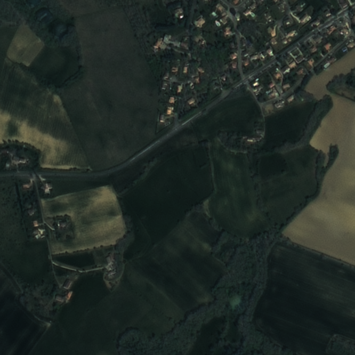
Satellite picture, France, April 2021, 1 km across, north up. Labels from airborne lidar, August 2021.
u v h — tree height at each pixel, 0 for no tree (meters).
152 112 0
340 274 0
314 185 0
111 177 0
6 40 0
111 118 0
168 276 0
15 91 0
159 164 0
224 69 17
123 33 0
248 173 0
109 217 0
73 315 0
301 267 0
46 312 16
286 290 0
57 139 0
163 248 0
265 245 12
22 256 0
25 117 0
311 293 0
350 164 0
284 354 22
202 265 0
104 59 0
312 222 0
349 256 0
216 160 0
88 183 0
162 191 0
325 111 16
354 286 0
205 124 0
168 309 0
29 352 0
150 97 0
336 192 0
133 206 0
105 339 0
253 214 0
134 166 0
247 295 19
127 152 0
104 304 0
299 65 10
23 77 0
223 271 0
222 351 0
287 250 0
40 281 0
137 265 0
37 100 0
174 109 0
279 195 0
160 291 0
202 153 0
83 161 0
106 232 0
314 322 0
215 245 17
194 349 0
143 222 0
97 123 0
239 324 14
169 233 0
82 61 15
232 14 0
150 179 0
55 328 0
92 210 0
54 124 0
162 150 0
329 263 0
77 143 0
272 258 0
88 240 0
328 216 0
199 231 0
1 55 0
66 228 11
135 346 10
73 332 0
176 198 0
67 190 0
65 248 0
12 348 0
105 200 0
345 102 0
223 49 19
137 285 0
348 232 0
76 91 0
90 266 0
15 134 0
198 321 23
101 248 7
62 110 0
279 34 0
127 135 0
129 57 0
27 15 21
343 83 20
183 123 0
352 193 0
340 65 0
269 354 15
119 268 13
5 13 20
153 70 5
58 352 0
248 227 0
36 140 0
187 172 0
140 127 0
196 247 0
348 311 0
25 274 0
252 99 0
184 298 0
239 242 14
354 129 0
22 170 9
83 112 0
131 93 0
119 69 0
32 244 0
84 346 0
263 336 16
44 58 0
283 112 0
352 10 14
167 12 7
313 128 15
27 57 0
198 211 15
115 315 0
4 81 0
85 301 0
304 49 18
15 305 0
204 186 0
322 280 0
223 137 18
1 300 0
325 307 0
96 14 0
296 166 0
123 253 0
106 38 0
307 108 0
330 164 8
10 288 0
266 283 12
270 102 0
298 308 0
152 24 9
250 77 0
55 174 0
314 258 0
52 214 0
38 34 13
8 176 0
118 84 0
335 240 0
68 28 15
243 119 0
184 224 0
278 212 0
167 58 14
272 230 10
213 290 13
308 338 0
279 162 0
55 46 13
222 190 0
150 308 0
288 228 0
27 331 0
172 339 17
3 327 0
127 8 12
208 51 23
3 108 0
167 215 0
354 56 0
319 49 10
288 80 7
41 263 0
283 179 0
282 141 0
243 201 0
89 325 0
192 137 0
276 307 0
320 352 0
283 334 0
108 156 0
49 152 0
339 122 0
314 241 0
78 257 0
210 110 0
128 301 0
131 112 0
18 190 21
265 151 11
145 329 0
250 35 14
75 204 0
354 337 0
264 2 6
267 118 0
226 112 0
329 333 0
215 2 8
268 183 0
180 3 14
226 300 21
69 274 11
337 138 0
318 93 0
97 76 0
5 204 9
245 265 25
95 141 0
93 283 0
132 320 0
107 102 0
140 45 11
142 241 0
